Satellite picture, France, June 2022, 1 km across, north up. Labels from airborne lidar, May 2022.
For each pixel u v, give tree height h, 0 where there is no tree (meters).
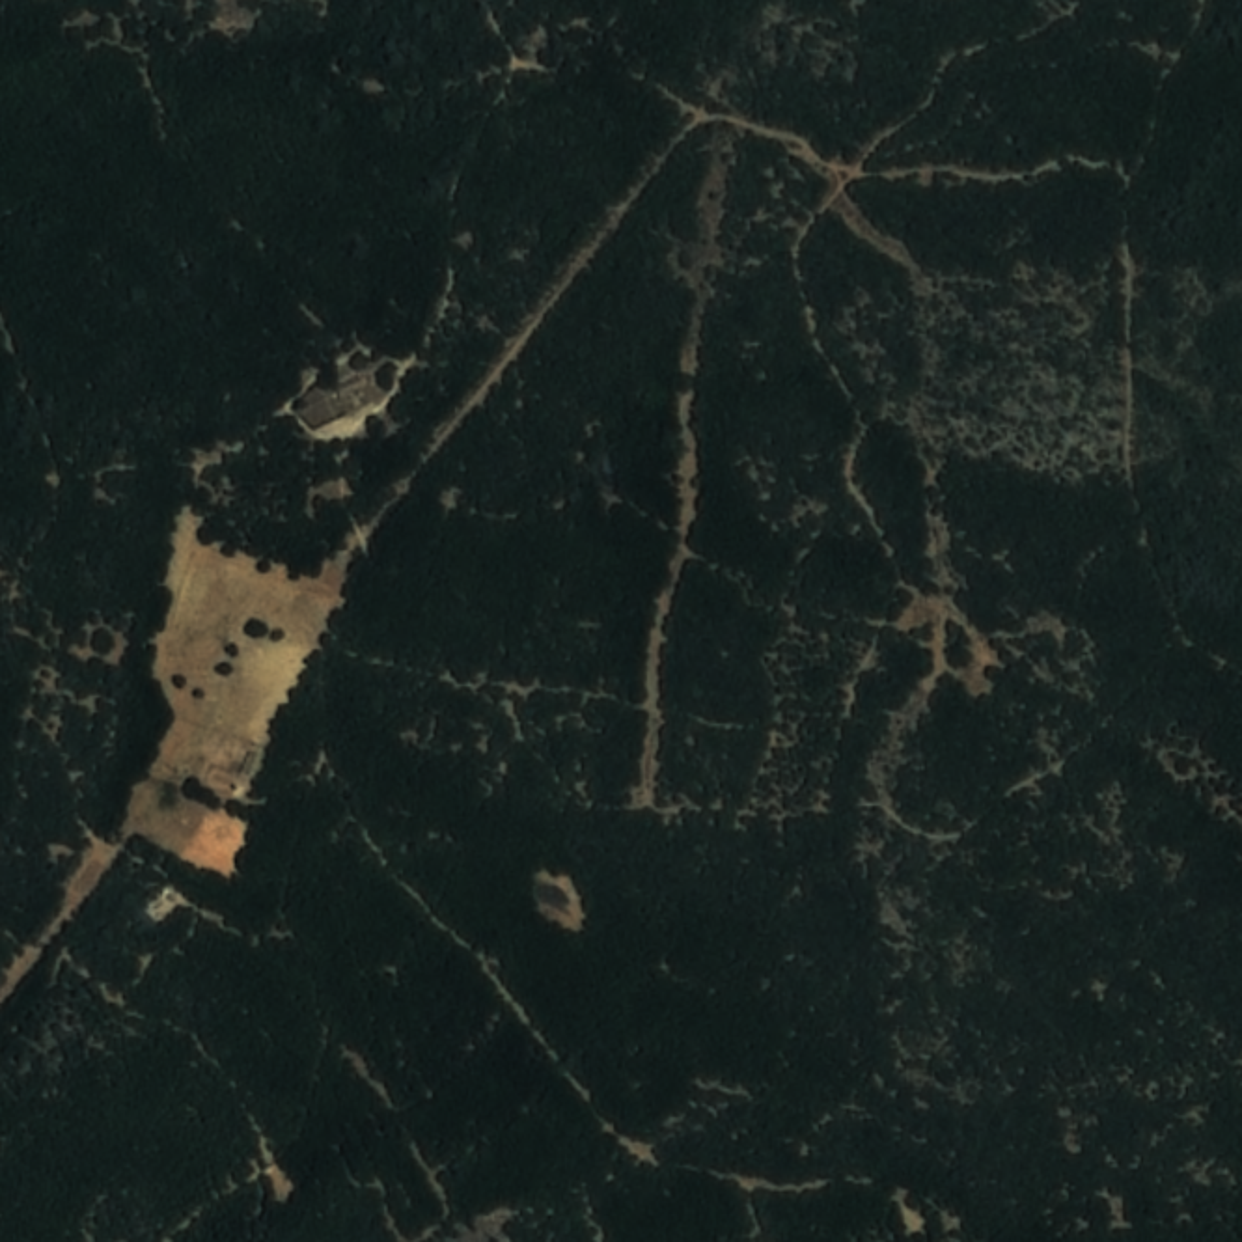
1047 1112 7
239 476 13
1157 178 5
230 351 11
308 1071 14
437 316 11
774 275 7
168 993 9
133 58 8
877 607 9
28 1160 8
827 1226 10
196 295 10
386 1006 13
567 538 11
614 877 9
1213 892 9
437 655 8
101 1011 6
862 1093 9
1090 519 9
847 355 7
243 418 7
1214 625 11
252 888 14
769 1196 10
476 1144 9
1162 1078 7
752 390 13
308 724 11
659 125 10
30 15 11
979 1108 8
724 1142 8
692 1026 11
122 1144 7
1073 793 6
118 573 9
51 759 8
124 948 8
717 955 10
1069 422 10
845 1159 7
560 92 10
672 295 8
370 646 9
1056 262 8
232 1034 12
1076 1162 7
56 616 7
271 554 10
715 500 13
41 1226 7
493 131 11
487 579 11
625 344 11
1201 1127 7
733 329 8
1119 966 8
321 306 10
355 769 11
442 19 12
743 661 8
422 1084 12
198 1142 8
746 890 8
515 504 11
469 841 12
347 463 8
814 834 8
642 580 12
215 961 12
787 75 7
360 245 19
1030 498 8
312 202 10
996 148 7
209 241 10
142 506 9
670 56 10
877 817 7
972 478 6
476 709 8
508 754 8
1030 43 8
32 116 11
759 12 8
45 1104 9
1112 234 7
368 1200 8
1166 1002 8
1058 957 8
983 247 7
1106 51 8
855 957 8
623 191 10
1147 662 8
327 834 11
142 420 7
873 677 6
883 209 8
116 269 11
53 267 9
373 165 16
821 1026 8
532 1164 12
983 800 8
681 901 8
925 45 7
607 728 7
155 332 10
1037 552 7
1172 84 8
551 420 8
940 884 6
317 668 10
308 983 11
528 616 9
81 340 11
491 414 9
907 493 8
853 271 8
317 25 6
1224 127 14
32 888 8
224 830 0
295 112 11
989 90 8
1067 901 7
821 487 6
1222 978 8
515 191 8
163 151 12
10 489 12
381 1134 12
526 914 13
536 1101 10
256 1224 13
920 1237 11
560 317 7
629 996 11
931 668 10
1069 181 8
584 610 9
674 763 7
